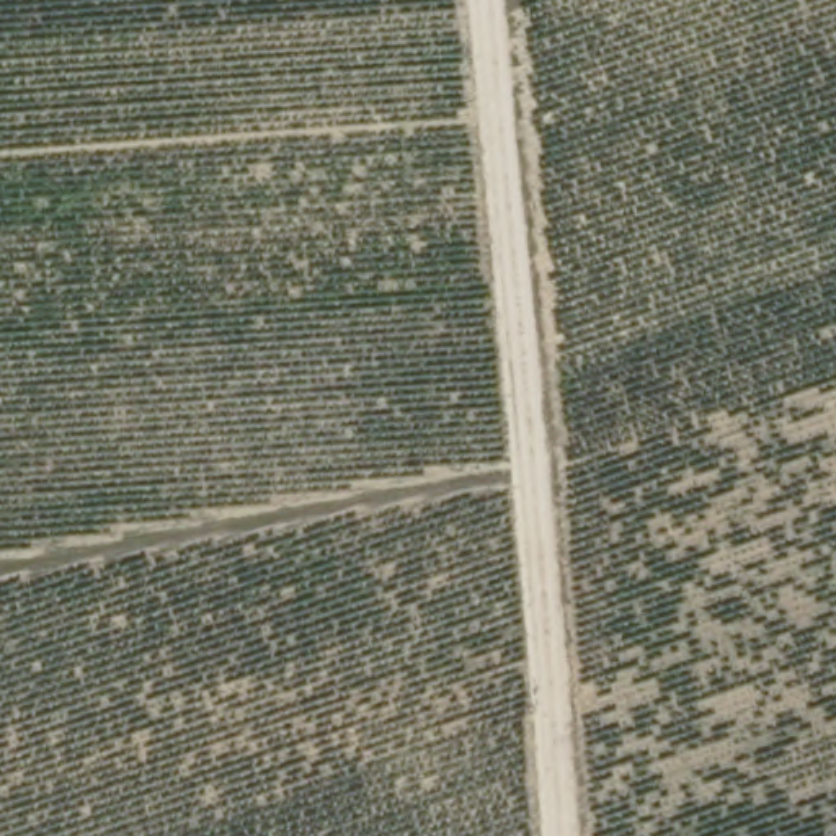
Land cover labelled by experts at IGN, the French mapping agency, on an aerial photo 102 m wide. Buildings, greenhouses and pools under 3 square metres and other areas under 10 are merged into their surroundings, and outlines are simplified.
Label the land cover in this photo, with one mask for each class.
<instances>
[{"label":"vineyard","instance_id":"1","mask_svg":"<svg viewBox=\"0 0 836 836\"><path fill-rule=\"evenodd\" d=\"M460 0H0V836H536L526 787V620L513 536V477L506 457V415L500 395V353L493 330V251L477 140L480 118L474 101H464V78L474 75V59L457 33ZM513 78L516 163L536 317V353L542 376L549 487L555 509L558 601L568 656V728L578 784V836H836V0H503Z\"/></svg>","mask_w":836,"mask_h":836},{"label":"pervious surface","instance_id":"2","mask_svg":"<svg viewBox=\"0 0 836 836\"><path fill-rule=\"evenodd\" d=\"M457 33L474 59V75L464 78V101H474L480 118L477 140L493 251V330L500 353V395L506 415V457L513 477V536L526 620V787L536 836H578V784L568 728V656L558 601L555 509L549 487L542 376L536 353V317L516 163L513 78L503 0H460Z\"/></svg>","mask_w":836,"mask_h":836}]
</instances>
